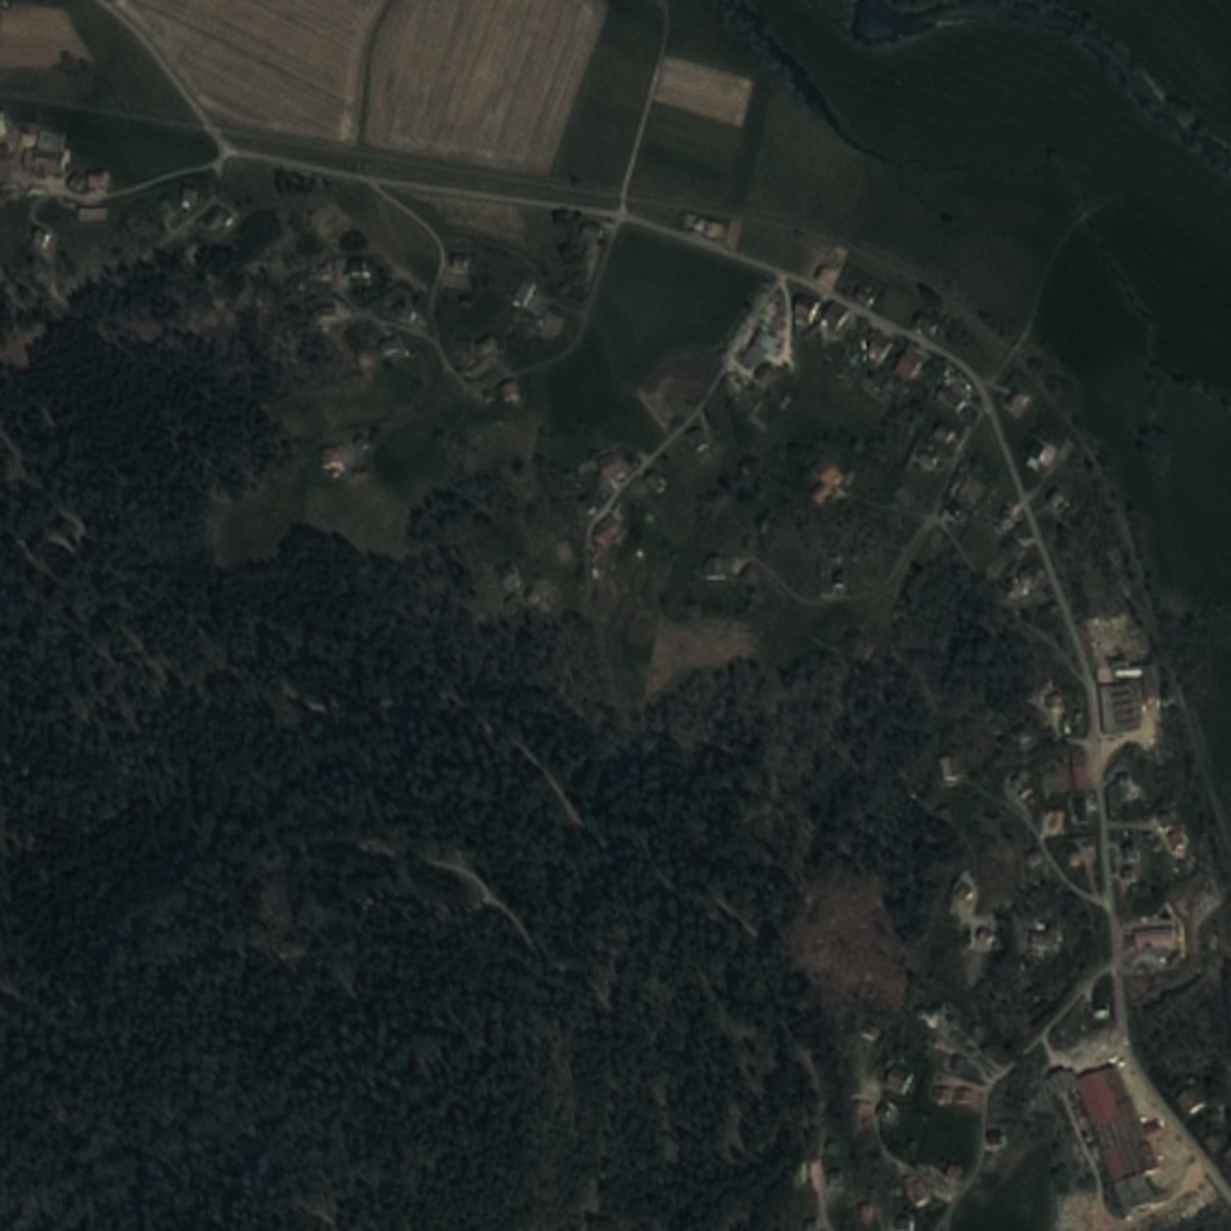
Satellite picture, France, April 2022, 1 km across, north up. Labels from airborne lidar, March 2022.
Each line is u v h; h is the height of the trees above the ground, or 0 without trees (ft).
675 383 0
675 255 0
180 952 95
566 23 0
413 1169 89
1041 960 0
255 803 83
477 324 0
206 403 57
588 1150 68
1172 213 0
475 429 0
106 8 0
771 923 94
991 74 0
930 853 50
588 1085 90
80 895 42
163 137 0
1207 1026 0
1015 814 0
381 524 0
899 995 0
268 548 0
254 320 22
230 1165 46
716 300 0
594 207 0
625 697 0
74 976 18
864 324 24
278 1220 19
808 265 0
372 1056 30
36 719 101
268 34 0
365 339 0
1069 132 0
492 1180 95
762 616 0
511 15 0
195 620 97
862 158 0
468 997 32
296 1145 67
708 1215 117
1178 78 0
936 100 0
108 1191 91
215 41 0
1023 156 0
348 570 70
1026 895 42
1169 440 57
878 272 0
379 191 0
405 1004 50
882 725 70
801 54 0
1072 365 0
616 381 0
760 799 39
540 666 68
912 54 0
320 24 0
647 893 103
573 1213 57
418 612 48
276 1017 45
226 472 41
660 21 0
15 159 0
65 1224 47
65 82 0
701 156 0
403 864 38
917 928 50
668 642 0
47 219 0
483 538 0
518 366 0
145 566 120
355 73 0
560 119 0
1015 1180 0
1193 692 48
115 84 0
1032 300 0
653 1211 87
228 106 0
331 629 59
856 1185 0
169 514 91
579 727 73
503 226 0
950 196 0
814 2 0
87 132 0
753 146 0
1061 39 0
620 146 0
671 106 0
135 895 68
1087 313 0
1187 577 0
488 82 0
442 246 0
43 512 103
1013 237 0
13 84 0
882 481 0
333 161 0
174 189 0
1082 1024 0
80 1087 114
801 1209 0
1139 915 0
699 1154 75
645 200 0
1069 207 0
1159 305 0
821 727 58
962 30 0
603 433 0
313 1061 56
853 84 0
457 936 27
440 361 0
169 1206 42
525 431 0
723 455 0
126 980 93
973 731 40
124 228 0
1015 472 0
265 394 53
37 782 45
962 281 0
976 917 0
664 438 0
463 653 67
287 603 52
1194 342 0
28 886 86
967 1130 0
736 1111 99
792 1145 21
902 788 55
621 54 0
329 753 95
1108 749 0
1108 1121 0
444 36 0
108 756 112
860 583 0
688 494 0
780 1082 34
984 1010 25
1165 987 0
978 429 0
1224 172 43
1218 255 0
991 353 0
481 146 0
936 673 63
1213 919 0
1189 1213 0
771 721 58
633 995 77
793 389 0
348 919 101
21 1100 91
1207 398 0
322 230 0
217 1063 91
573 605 0
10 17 0
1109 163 0
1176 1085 21
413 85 0
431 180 0
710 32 0
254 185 0
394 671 38
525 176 0
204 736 106
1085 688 0
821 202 0
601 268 0
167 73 0
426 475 0
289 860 83
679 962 37
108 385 28
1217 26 0
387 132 0
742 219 0
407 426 0
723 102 0
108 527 31
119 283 83
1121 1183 0
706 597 0
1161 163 0
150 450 34
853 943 0
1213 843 20
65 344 47
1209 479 0
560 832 127
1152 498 0
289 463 41
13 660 25
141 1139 109
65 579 61
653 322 0
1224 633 0
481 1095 85
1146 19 0
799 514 25
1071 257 0
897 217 0
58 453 103
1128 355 0
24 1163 90
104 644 94
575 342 0
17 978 90
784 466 0
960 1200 0
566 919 136
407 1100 60
